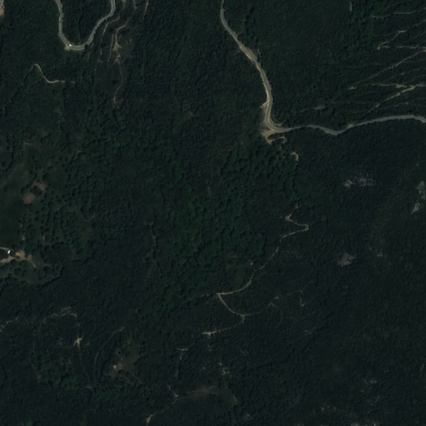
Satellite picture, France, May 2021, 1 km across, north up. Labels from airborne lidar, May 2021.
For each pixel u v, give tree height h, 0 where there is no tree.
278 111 15
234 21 14
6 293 13
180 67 12
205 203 14
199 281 22
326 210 13
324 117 13
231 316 7
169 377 8
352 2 6
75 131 12
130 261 13
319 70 18
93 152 13
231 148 10
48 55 13
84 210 15
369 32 18
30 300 8
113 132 13
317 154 9
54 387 20
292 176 16
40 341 6
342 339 9
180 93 9
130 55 0
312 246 7
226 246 19
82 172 17
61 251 19
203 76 12
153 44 12
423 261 18
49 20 7
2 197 0
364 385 9
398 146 10
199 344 7
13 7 8
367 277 9
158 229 16
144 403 11
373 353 7
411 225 6
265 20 13
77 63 6
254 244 19
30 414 16
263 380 16
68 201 15
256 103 10
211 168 10
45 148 0
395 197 7
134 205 14
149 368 8
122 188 14
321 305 11
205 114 6
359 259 5
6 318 6
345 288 7
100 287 19
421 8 12
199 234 11
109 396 17
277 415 9
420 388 10
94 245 21
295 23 8
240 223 19
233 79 8
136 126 16
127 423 6
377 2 15
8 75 18
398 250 11
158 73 11
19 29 14
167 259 17
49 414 16
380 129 11
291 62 14
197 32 8
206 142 12
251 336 7
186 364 7
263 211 9
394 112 7
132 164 13
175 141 11
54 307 11
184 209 16
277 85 11
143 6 7
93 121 13
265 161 18
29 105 11
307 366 9
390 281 10
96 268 17
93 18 11
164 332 14
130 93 12
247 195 8
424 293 17
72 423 16
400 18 7
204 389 0
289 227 9
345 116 19
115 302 16
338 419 8
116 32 15
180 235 14
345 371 6
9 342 12
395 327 16
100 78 0
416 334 16
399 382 12
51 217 13
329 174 12
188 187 21
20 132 12
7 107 15
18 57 12
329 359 9
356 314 6
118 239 15
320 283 12
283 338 6
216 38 15
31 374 13
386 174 9
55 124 13
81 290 16
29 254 9
